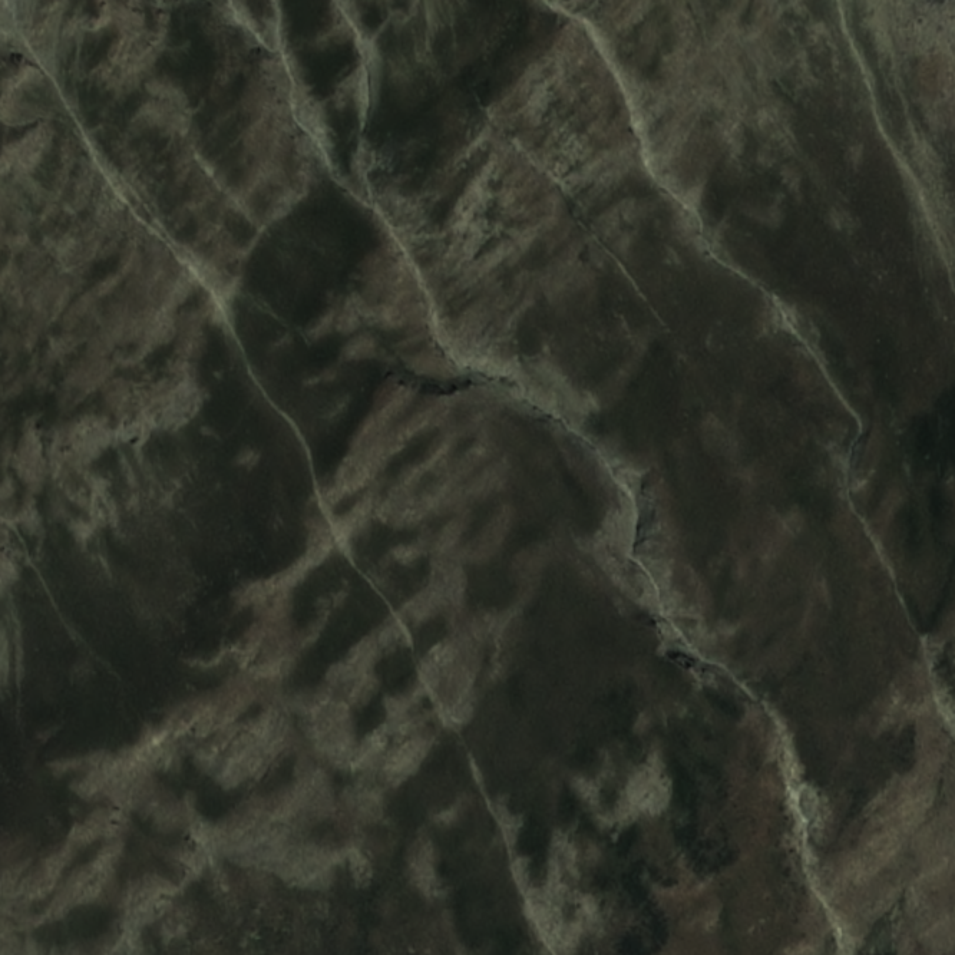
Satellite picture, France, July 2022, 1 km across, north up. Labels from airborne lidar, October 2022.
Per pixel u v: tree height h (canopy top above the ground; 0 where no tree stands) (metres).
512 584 0
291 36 0
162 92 0
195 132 0
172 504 0
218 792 0
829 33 0
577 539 0
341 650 0
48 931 0
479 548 0
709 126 0
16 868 0
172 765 0
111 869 0
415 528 0
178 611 0
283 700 0
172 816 0
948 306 0
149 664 0
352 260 0
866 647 0
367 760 0
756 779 0
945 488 0
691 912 0
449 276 0
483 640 0
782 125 0
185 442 0
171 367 0
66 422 0
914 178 0
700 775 0
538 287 0
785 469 0
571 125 0
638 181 0
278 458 0
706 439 0
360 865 0
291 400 0
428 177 0
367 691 0
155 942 0
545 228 0
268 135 0
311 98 0
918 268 0
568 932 0
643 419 0
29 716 0
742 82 14
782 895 0
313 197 0
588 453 0
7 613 0
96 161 0
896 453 0
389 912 0
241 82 0
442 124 0
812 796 0
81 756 0
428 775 0
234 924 0
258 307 0
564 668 0
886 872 0
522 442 0
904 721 0
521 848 0
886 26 0
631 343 0
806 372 0
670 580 0
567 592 0
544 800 0
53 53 0
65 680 0
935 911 0
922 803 0
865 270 0
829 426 0
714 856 0
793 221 0
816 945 0
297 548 0
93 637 0
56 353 0
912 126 0
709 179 0
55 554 0
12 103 0
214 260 0
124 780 0
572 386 0
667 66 0
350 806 0
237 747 0
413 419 0
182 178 0
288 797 0
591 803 0
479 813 0
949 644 0
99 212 0
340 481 0
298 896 0
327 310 0
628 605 0
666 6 0
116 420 0
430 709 0
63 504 0
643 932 0
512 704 0
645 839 0
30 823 0
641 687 0
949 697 0
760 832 0
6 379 0
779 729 0
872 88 0
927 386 0
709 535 0
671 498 0
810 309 0
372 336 0
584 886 0
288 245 0
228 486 0
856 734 0
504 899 0
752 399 0
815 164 0
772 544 0
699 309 0
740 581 0
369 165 0
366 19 0
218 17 0
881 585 0
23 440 0
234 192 0
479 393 0
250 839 0
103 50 0
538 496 0
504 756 0
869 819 0
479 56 0
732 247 0
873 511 0
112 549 0
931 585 0
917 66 0
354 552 0
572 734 0
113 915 0
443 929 0
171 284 0
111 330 0
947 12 0
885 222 0
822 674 0
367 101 0
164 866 0
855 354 0
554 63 0
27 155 0
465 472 0
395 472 0
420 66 0
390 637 0
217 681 0
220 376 0
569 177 0
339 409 0
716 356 0
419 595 0
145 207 0
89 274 0
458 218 0
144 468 0
